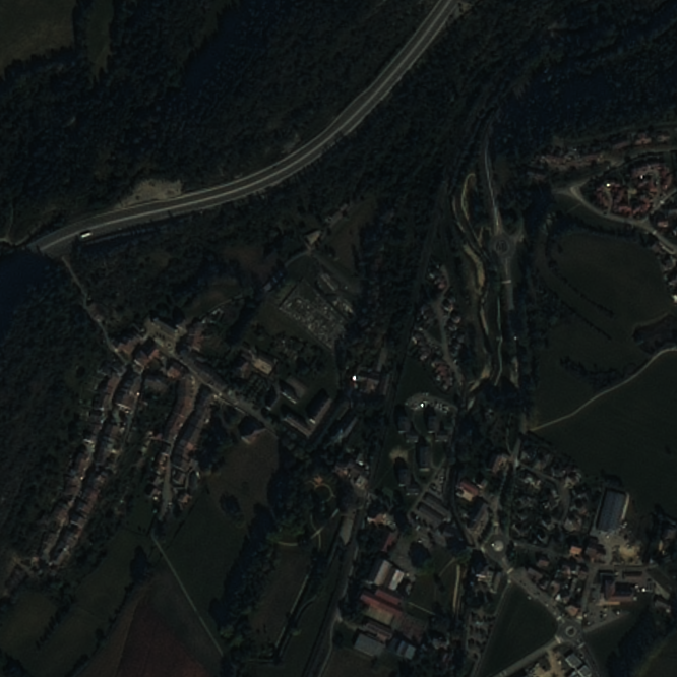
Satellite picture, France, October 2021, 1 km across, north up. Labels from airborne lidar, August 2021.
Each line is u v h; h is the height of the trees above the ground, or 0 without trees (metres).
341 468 0
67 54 0
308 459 20
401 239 19
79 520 0
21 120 21
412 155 16
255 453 0
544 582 0
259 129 13
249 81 22
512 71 15
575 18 11
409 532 23
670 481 0
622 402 0
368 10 15
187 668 0
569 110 11
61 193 14
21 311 11
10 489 6
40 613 0
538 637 0
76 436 14
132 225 0
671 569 0
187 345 0
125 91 10
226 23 0
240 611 30
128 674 0
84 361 10
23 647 0
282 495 23
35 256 0
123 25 21
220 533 0
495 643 0
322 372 14
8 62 0
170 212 0
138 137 26
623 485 12
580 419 0
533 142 14
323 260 0
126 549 0
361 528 0
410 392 0
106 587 0
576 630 0
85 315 11
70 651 0
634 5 25
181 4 15
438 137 6
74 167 19
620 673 0
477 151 11
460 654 8
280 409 0
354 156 16
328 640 0
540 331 11
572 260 0
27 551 7
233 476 0
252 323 19
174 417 0
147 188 0
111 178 11
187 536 0
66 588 9
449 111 11
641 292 0
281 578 0
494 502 0
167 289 25
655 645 34
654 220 8
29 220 0
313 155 0
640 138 0
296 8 14
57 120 21
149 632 0
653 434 0
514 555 9
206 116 27
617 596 0
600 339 0
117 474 9
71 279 14
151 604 0
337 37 16
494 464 0
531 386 18
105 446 0
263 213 21
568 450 0
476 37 8
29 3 0
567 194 0
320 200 9
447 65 25
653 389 0
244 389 10
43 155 25
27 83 27
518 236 0
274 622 0
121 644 0
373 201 0
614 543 0
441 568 0
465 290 16
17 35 0
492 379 0
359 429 7
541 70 0
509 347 16
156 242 11
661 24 12
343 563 13
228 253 0
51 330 14
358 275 7
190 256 24
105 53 0
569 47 7
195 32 19
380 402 14
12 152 16
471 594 15
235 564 0
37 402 8
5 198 12
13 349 8
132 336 0
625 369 0
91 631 0
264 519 0
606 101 22
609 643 0
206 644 0
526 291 8
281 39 13
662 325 0
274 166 0
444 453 0
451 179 13
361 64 6
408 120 17
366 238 17
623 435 0
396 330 9
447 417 0
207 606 0
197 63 0
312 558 0
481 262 0
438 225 0
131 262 11
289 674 0
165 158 25
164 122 22
